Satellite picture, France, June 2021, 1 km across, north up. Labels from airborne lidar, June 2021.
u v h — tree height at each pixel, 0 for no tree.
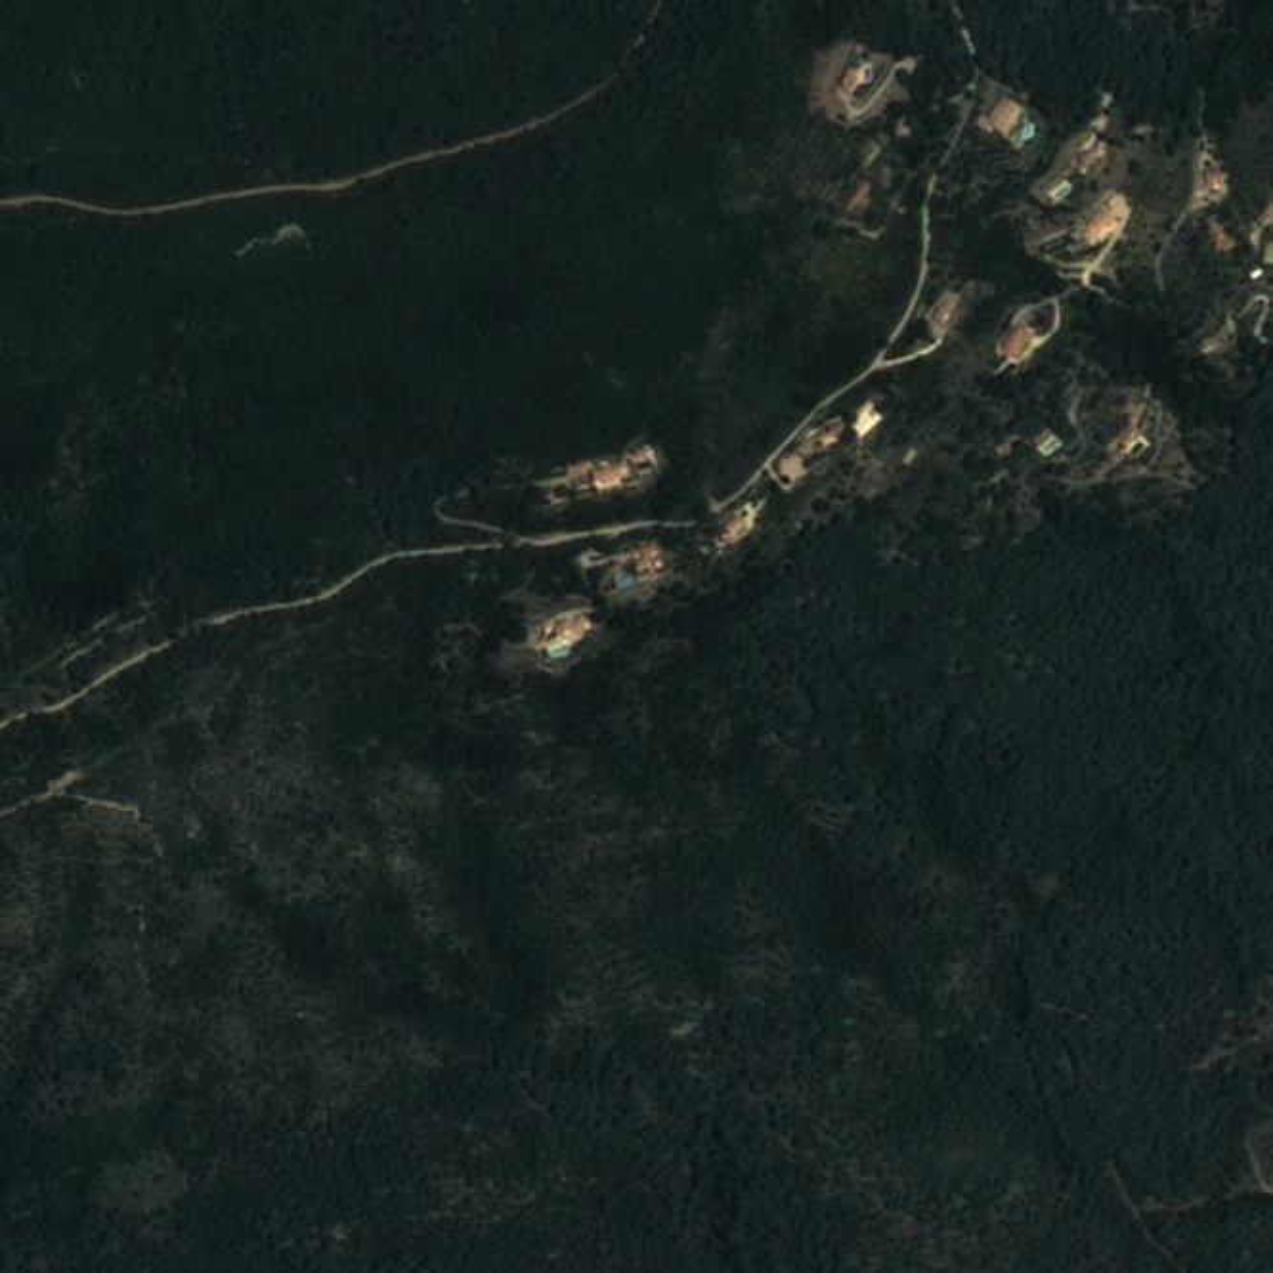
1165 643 18
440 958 7
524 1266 7
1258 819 20
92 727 6
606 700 9
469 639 9
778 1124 14
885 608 17
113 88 7
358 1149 13
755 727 8
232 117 16
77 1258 10
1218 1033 19
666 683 12
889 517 17
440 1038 11
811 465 7
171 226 6
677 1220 19
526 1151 6
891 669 17
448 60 5
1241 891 18
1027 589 18
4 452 10
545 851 8
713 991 5
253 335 7
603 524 6
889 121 7
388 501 18
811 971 10
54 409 9
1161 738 18
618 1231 12
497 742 9
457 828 8
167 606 7
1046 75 17
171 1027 10
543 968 7
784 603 20
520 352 6
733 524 0
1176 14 8
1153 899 20
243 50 6
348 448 13
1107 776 22
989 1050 14
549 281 7
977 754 9
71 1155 6
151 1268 6
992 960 10
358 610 15
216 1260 12
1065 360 12
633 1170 11
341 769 7
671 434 7
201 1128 9
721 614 9
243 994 10
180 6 6
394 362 8
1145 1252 18
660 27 14
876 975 10
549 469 7
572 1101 22
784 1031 7
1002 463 13
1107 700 16
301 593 7
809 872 10
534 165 5
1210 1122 19
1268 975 8
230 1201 6
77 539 7
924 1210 9
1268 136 8
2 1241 19
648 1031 10
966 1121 12
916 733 18
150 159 12
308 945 11
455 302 9
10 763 6
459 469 8
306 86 6
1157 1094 18
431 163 8
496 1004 8
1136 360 18
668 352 5
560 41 7
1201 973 15
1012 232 6
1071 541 19
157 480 11
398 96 5
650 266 6
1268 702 16
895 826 17
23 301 9
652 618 9
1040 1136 15
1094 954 20
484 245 7
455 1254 12
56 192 8
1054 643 17
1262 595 19
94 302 9
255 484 7
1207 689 16
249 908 9
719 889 10
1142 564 16
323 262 9
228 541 7
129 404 6
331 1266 18
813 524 10
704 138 5
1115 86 18
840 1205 7
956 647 13
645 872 13
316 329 12
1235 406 15
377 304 8
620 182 6
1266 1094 18
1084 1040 19
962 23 16
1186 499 13
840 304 10
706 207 7
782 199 6
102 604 7
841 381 7
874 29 10
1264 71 15
